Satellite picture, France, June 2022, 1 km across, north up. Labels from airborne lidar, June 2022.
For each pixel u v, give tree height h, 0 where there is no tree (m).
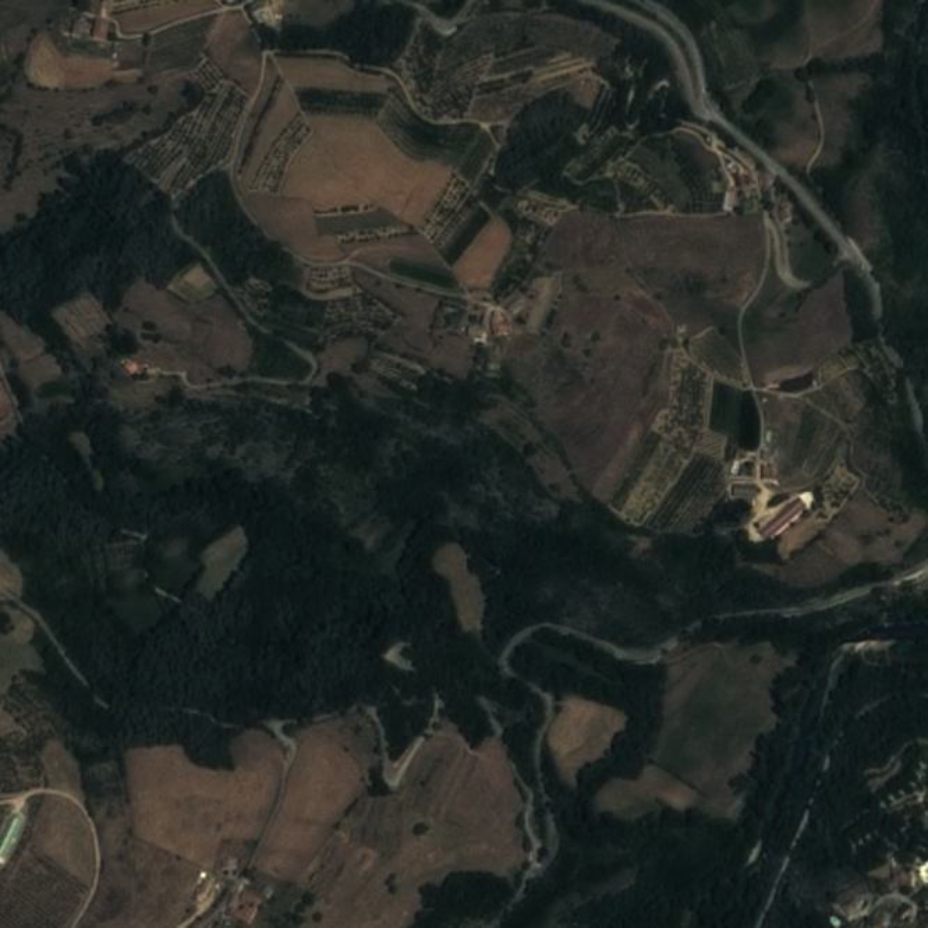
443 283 0
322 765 0
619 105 8
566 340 8
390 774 0
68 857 0
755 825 20
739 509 10
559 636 13
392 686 9
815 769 7
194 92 20
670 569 6
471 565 17
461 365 0
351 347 0
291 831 0
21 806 0
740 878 19
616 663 14
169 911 0
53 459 15
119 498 24
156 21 0
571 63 0
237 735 13
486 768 0
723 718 0
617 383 0
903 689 7
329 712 16
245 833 0
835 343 0
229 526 9
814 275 0
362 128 0
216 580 0
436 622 16
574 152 10
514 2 0
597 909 12
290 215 0
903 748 8
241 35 0
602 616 8
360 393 6
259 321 8
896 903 0
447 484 10
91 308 0
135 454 10
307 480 13
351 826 0
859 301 14
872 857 8
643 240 0
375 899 0
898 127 16
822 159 0
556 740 0
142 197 9
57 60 0
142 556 8
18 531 16
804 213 8
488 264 0
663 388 0
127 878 0
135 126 0
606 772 16
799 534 0
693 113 8
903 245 9
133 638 14
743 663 0
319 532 12
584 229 0
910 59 16
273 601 24
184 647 17
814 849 11
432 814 0
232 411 6
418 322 0
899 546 8
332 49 7
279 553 22
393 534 8
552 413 0
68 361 6
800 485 0
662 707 7
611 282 0
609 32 12
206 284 0
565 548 12
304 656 31
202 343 0
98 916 0
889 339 15
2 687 0
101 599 14
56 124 0
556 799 16
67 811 0
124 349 11
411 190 0
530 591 11
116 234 10
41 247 12
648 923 21
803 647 13
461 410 9
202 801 0
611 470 0
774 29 0
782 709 17
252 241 6
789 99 0
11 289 20
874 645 0
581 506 6
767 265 0
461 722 13
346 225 0
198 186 7
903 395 14
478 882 14
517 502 7
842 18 0
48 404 0
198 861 0
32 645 7
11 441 0
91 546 12
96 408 10
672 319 0
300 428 6
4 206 0
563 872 11
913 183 12
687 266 0
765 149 6
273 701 23
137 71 0
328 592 23
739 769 0
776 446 0
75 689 13
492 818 0
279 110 0
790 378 0
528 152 7
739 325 0
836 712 16
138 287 0
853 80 0
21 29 0
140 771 0
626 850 8
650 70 9
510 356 0
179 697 18
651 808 0
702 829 10
